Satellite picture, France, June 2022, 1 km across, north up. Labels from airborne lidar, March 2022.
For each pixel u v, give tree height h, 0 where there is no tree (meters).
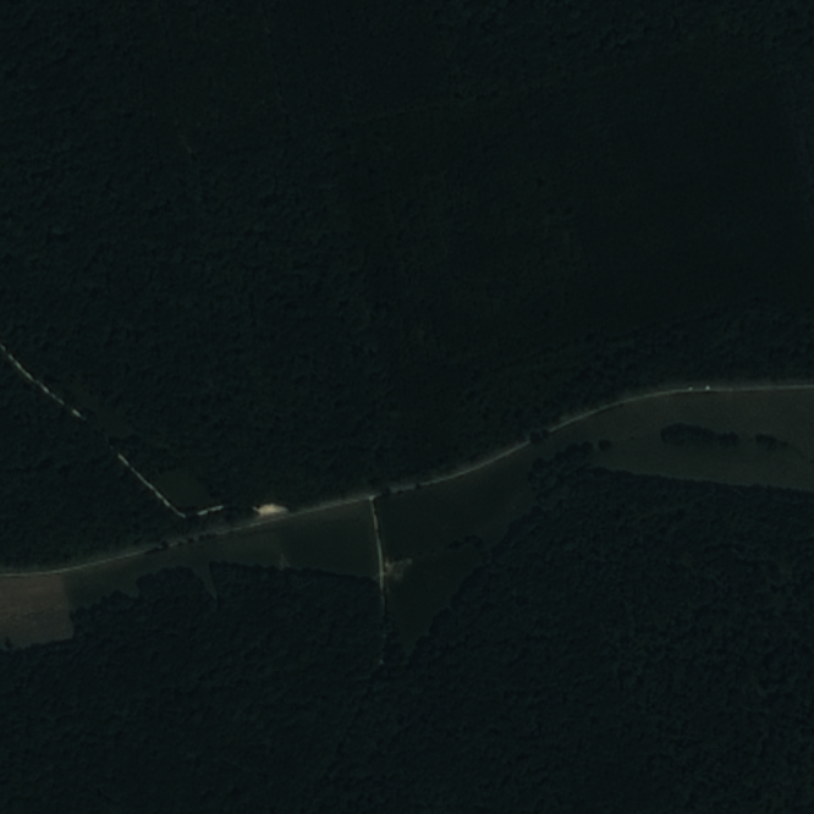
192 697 22
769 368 11
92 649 21
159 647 18
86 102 19
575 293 8
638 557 19
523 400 9
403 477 14
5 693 19
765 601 21
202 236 21
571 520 18
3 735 22
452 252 6
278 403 16
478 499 0
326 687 19
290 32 11
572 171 14
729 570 21
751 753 24
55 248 21
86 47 19
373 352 22
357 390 21
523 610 20
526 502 0
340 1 13
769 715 20
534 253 6
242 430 17
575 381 14
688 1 18
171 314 21
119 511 19
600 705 18
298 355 17
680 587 22
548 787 18
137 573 0
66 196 21
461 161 8
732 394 0
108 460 15
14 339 22
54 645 12
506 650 19
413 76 11
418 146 6
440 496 0
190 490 0
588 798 19
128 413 13
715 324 22
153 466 14
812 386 0
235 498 12
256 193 21
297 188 21
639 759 17
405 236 7
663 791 22
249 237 20
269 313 22
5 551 14
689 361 18
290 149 16
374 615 18
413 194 6
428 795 16
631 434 0
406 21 10
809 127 16
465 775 20
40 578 0
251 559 0
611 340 15
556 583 19
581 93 11
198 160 17
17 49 20
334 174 19
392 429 15
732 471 0
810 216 15
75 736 14
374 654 18
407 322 7
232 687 17
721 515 23
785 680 21
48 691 17
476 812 19
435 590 0
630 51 16
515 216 5
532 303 8
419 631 0
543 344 9
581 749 20
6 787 18
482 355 7
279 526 0
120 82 18
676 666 21
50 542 13
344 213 19
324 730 23
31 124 19
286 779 20
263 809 22
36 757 20
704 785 18
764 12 20
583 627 18
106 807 20
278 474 12
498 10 21
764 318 21
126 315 18
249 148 16
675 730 18
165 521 18
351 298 19
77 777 19
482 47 19
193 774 21
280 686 20
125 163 19
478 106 6
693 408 0
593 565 17
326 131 17
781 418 0
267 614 21
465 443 9
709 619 17
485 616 18
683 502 19
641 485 21
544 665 20
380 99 11
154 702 20
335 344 20
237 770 18
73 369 16
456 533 0
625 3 19
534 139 7
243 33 15
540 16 21
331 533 0
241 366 19
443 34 19
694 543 21
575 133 14
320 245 19
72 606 0
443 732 20
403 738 18
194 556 0
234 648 17
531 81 18
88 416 12
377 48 12
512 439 11
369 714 27
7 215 20
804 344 18
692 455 0
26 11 17
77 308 18
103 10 21
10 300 25
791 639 0
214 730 20
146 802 19
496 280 6
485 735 20
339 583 21
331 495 18
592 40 17
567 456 14
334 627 24
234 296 19
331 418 18
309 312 13
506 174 8
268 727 20
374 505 7
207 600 20
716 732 22
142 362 19
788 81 16
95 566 0
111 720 18
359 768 31
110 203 21
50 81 19
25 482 18
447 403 6
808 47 20
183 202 19
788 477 0
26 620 0
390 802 21
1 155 20
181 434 16
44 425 20
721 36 18
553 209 15
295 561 0
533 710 19
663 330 17
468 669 18
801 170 14
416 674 24
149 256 19
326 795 25
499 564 17
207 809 20
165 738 22
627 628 18
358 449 16
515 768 16
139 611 24
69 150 19
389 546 0
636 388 17
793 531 20
